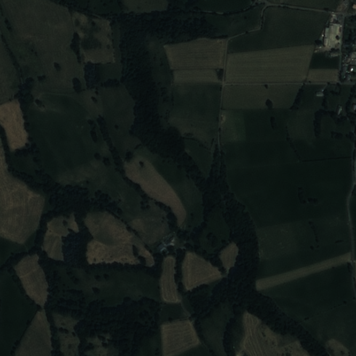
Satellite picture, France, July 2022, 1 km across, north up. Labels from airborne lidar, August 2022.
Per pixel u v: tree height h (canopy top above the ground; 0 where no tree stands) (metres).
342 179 0
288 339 0
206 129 0
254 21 0
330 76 0
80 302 15
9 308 0
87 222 0
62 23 0
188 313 0
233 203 7
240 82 0
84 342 7
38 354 0
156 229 0
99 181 0
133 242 0
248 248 19
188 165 11
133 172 0
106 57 0
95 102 12
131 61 8
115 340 7
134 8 0
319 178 0
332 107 0
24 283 0
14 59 9
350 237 0
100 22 0
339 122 18
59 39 0
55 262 19
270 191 0
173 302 0
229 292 15
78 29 0
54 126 0
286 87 0
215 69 0
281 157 0
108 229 0
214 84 0
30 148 8
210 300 8
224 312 0
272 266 0
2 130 17
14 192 0
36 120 0
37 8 0
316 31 0
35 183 8
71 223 0
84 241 26
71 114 0
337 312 0
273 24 0
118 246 0
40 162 15
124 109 0
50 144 0
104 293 0
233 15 7
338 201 0
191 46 0
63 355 11
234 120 0
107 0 0
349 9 0
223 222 0
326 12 7
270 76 0
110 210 17
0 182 0
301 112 0
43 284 0
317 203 14
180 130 0
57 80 0
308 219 0
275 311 12
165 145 16
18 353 0
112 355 0
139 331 18
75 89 18
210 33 6
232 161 0
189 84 0
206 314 20
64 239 9
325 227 0
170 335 0
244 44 0
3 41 10
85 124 0
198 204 0
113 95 0
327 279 0
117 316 23
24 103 27
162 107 0
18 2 0
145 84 17
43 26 0
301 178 0
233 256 0
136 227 0
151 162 0
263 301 9
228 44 0
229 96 0
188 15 9
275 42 0
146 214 0
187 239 15
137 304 17
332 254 0
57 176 0
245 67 0
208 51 0
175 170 0
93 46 0
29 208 0
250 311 22
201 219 0
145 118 20
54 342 19
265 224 0
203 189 14
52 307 22
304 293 0
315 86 0
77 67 0
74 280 17
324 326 0
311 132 0
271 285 0
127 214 0
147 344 0
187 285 0
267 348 0
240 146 0
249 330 0
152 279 0
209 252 0
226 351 15
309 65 0
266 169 0
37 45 0
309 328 0
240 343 0
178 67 0
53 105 0
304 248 0
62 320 0
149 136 21
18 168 0
